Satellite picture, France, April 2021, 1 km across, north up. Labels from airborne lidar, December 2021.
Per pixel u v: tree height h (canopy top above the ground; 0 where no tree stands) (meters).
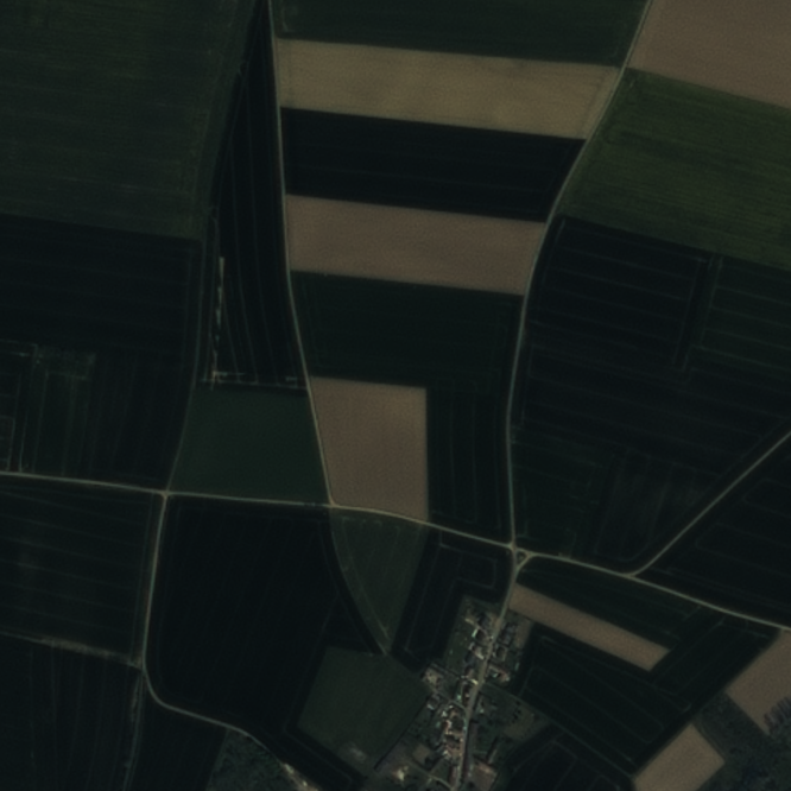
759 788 38
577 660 0
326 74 0
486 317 0
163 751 0
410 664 0
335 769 0
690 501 0
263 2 0
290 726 0
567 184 0
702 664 0
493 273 0
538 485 0
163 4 0
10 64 0
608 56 0
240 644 0
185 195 0
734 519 0
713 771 0
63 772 0
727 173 0
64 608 0
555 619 0
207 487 0
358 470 0
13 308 0
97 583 0
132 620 0
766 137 0
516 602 0
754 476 0
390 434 0
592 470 0
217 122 0
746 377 0
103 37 0
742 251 0
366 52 0
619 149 0
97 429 0
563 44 0
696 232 0
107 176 0
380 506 0
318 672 0
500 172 0
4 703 0
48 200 0
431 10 0
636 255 0
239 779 20
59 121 0
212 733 0
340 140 0
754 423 0
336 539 0
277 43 0
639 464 0
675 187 0
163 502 0
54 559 0
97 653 0
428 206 0
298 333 0
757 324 0
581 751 0
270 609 0
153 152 0
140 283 0
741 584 0
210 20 0
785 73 0
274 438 0
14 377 0
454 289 0
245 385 0
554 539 0
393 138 0
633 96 0
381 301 0
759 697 0
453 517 0
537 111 0
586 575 0
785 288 0
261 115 0
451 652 0
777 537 0
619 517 0
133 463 0
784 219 0
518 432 0
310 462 0
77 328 0
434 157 0
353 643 0
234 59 0
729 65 0
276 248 0
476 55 0
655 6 0
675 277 0
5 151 0
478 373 0
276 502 0
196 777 0
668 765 0
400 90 0
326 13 0
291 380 0
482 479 0
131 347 0
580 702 0
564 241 0
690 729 0
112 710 0
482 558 0
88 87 0
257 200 0
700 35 0
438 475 0
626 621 0
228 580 0
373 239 0
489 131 0
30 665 0
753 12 0
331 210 0
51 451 0
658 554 0
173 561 0
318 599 0
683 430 0
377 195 0
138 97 0
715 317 0
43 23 0
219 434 0
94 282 0
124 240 0
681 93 0
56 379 0
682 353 0
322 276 0
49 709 0
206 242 0
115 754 0
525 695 0
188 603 0
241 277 0
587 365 0
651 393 0
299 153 0
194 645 0
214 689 0
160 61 0
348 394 0
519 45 0
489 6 0
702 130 0
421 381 0
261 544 0
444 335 0
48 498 0
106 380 0
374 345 0
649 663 0
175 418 0
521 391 0
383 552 0
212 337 0
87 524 0
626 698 0
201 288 0
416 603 0
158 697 0
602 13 0
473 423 0
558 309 0
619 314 0
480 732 11
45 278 0
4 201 0
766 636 0
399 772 0
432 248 0
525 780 0
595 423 0
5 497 0
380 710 0
